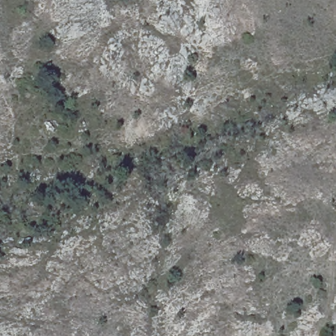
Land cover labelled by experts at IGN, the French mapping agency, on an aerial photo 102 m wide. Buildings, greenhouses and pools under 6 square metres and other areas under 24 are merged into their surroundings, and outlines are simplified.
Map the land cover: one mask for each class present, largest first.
<instances>
[{"label":"bare soil","instance_id":"1","mask_svg":"<svg viewBox=\"0 0 336 336\"><path fill-rule=\"evenodd\" d=\"M257 28H265L259 16V4L255 0H41L34 9L33 18L17 25L10 39L14 58L21 62L28 59L31 41L39 39L43 34L51 33L56 38L55 50L60 59L76 58L80 66L88 62V55L93 56V67L89 70L87 79H80L83 76L81 71L75 76H72V73H62L60 84L66 89L67 96L75 92L77 96L88 94L93 100L92 105H97L100 112L108 118L117 117L118 123L122 125L121 130H113L102 135L100 144H117L118 148H130L134 143L143 142L144 138H150L161 130L169 129L175 122L184 123L182 129L189 131L190 136H194V131L199 129L207 130V126L202 123L214 119L215 106L226 101L228 96L240 93L245 98L251 97L252 100H256V96H251L248 89L240 91L234 88V83L228 80L227 71L207 66L209 58L213 56L214 46H223L234 39H240L244 31H249L253 35ZM24 71L21 67H13L7 80L0 73V164L7 163L8 167L13 165L20 171V157L13 152L12 144L13 140H20L18 136L14 138L16 119L12 109V94L9 91L10 87L16 85L17 77H21ZM318 92H315L314 97L307 98L303 93L295 100L287 101L286 117L278 114L272 122L262 125L255 118L248 121L252 123V127H264L265 133H260L261 138H265L266 134H273L269 144L277 147V154L268 157L266 151H262V155L255 159L259 161V173H264L265 184L270 186L272 193L270 196H264L257 184H247L241 188L234 186L240 197L260 199V203L245 205L243 209V217L247 224L241 232H252V239L240 240L236 236L227 238L226 234H223L220 235V239H215L214 232L219 231V220L215 222L209 218L210 197L215 196L217 189L214 176L220 173L222 176H228V182L231 184L238 178L239 169L234 168L228 172L227 168L210 167L205 171L198 167V176L193 180H186L192 167L180 163V167L184 169H175V175L169 177L167 182L169 201L180 203L175 214H172V218L165 224L167 231L172 235V243L168 247L159 243V235H154L150 219L146 218L148 213H154L159 202L143 188L144 178L140 177L135 169L127 177L122 190L112 192L117 201L130 199V202H126L112 213L97 214L98 222L94 226H91L92 219L83 217H80L75 223V231L81 232V236L67 239L68 231H63L60 236V249H56L54 255L47 252V249L30 255L26 248H13L10 252L18 255L25 253L26 259H9L5 264H0V336H270L273 332L272 323H264L259 314H253L256 307L252 303H248V314H243V310L235 312L238 322L232 323V335L226 332V335H222L215 325L207 320L211 315H218L220 307H215L217 303L234 302L235 294L222 289V286H239L240 283L256 280L252 266L232 262L236 252H252L272 257L273 260L286 261L294 247L307 245L310 249L311 265L308 266L303 278L315 277L312 283L318 289V297L323 299L328 297L327 290L335 289L336 285V89H325L323 84H318ZM168 272L178 273L181 280L175 286L169 287L165 293L163 290H157L156 301L165 308L152 316L148 314V306L139 298V293L151 277H160L161 274L165 276ZM324 318V315L320 314L318 307L312 306L298 316L297 328L290 332V336H319L320 331L314 323Z\"/></svg>","mask_w":336,"mask_h":336},{"label":"herbaceous vegetation","instance_id":"2","mask_svg":"<svg viewBox=\"0 0 336 336\"><path fill-rule=\"evenodd\" d=\"M41 0H0V73L7 80L13 67H21L24 71L26 67H34L37 62H52L62 73H72V76H75L81 71L83 76L80 79H87L89 70L93 67V56L88 55V62L80 66L76 58L60 59L55 50L39 49L31 41L28 59L21 62L14 58L10 39L17 25L33 18L34 9ZM259 4V16L265 28H257L253 35L249 31H244L240 39H234L223 46H214L213 56L209 58L207 66L227 71L228 80L234 83V88L240 91L248 89L251 96H256V100H252L251 97L245 98L240 93L228 96L226 101L215 106L214 119L202 123L207 126V130L210 134L222 133V125L226 119L235 121L238 127H241V122L248 121L255 118L262 125L272 122L278 114L286 117L287 101L295 100L303 93L307 98L314 97L315 92H318V84H323V68L328 66L329 59L336 51V0H255ZM9 91L12 94V109L16 119L14 138L18 136L20 140L24 142L25 139H29L31 154L54 157L55 161H58L62 154L79 152L85 144H100L102 135L113 130H121L122 125L118 123L117 117L108 118L100 112L97 105H92L93 100L88 94L77 96L79 117L75 129L70 135H66L56 130L58 122L47 112L46 105H42V100L37 98V94L20 92L16 85L10 87ZM217 189L215 196L210 197L209 218L215 222L219 220V231L214 232L215 239H220V235L223 234H226L227 238L236 236L240 240L252 239V232H241L247 224L243 217V209L245 205L260 203V199L240 197L234 186L228 182V176H222L220 173L214 176ZM232 262L252 266L256 280L240 283L239 286H222V289L235 294L234 302L217 303L215 307H220L218 315H211L207 320L215 325L222 335H226V332L232 335V323L238 322L235 312L243 310V314H248V303H252L256 307L253 314H259L264 323H272L273 332L270 336H290V332L297 328L298 316L312 306L318 307L320 314L324 315V318L314 323L320 331L319 336H336V285L335 289L327 290L328 297L323 299L318 297V289L312 283L315 277L303 278L308 266L311 265L310 249L307 245L294 247L286 261L273 260L272 257L252 252H236ZM181 280L178 273L168 272L165 276L161 274L160 277H151L139 293V298L148 306V314L152 316L165 308L156 301L157 290H163L165 293L169 287L175 286Z\"/></svg>","mask_w":336,"mask_h":336},{"label":"brushwood","instance_id":"3","mask_svg":"<svg viewBox=\"0 0 336 336\"><path fill-rule=\"evenodd\" d=\"M31 41L39 49L55 50L56 38L51 33L43 34L39 39ZM323 84L325 89H336V51L329 59L328 66L323 68ZM62 73L52 62H37L34 67H26L21 77H17L16 85L20 92L37 94V98L42 100V105H46L47 112L58 122L56 130L66 135H70L75 129L79 117L77 96L75 92L67 96L66 89L60 84ZM184 123L175 122L169 129L161 130L150 138H144L143 142L134 143L130 148H118L117 144H85L79 152L62 154L58 161H55L54 157L31 154L29 139H25L24 142L20 140H13L12 144L13 152L20 157V171L13 165L8 167L7 163L0 164V264H5L9 259H26L25 253L18 255L10 252L13 248H26L30 255L47 249V252L54 255L56 249H60V236L63 231H68L67 239L81 236V232L75 231V223L80 217L71 210H64L60 213L62 226L56 227L47 238H33V235L29 234L30 227L42 222V213L46 209L33 202L31 193L38 189L41 182L50 181L55 177H58V180L70 178L73 184L89 185L97 189V192L89 197V202L85 203L81 213L83 217L92 219L91 226H94L98 222L97 214L112 213L126 202H130V199L117 201L112 192L122 190L127 177L135 169L140 177L144 178L143 188L159 202L154 213H148L146 218L150 219L154 235H159V243L168 247L172 243V235L167 231L165 224L172 218V214H175L180 203L169 201L167 182L169 177L175 175V169H184L180 167V163L192 167L186 180H193L198 176V167L205 171L210 167L227 168L228 172L234 168L239 169L238 178L231 184L234 186L241 188L247 184H257L264 196H270L272 193L270 186L265 184L264 173H259V161L255 159L262 155V151H266L268 157L277 154V147L269 144L273 134H266L265 138H261L260 133H265L264 127H252V123L248 121L241 122V127H238L235 121L226 119L222 125V133L210 134L207 130L199 129L194 131V136H190L189 131L182 129Z\"/></svg>","mask_w":336,"mask_h":336},{"label":"coniferous trees","instance_id":"4","mask_svg":"<svg viewBox=\"0 0 336 336\"><path fill-rule=\"evenodd\" d=\"M97 192V189L89 185L73 184L70 178L58 180V177H55L50 181L41 182L38 189L31 193L33 202L46 209L42 213V222L30 227L29 234L33 235V238H47L56 227L62 226L60 213L64 210H71L80 217H83L81 213L85 203L89 202V197Z\"/></svg>","mask_w":336,"mask_h":336}]
</instances>
